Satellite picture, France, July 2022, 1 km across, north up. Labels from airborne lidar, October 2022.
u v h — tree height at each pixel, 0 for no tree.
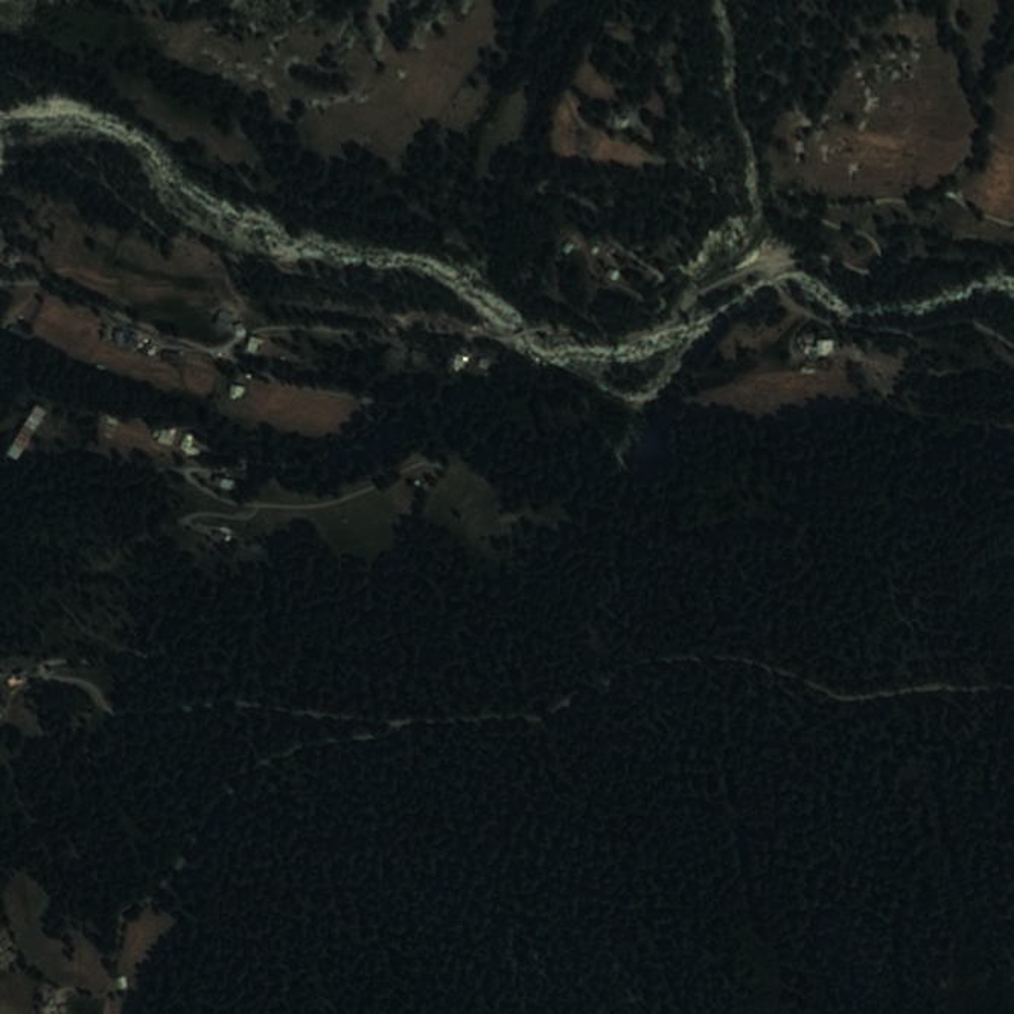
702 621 26
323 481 14
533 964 19
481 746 8
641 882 27
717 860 25
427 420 32
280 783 18
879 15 20
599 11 26
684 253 21
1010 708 24
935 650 10
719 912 18
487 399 28
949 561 19
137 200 13
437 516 0
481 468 29
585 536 26
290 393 0
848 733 9
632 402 0
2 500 17
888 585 22
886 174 0
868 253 0
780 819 20
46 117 0
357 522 0
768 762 11
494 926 9
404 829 23
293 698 11
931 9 24
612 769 25
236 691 12
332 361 11
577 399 25
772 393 0
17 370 21
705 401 0
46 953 0
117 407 27
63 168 18
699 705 21
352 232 15
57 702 21
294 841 21
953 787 24
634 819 18
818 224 18
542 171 28
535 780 7
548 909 23
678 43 20
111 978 6
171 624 17
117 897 16
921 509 26
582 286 23
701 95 18
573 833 30
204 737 28
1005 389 19
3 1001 0
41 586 28
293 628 25
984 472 25
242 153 0
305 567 24
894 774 28
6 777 27
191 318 0
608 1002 16
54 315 0
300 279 14
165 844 25
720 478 33
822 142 0
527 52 20
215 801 13
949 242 27
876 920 18
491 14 0
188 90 20
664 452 29
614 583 21
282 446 11
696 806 24
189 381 0
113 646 0
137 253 0
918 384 16
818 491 28
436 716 8
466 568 23
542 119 8
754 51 14
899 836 19
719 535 10
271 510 0
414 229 21
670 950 15
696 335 0
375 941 8
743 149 10
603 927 22
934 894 17
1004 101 0
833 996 6
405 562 23
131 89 0
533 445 8
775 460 24
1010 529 11
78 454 13
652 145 8
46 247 0
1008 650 16
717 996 15
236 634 23
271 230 0
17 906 0
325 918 13
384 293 19
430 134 20
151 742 27
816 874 24
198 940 13
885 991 6
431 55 0
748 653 9
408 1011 16
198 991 19
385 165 21
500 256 22
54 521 26
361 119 0
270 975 11
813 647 17
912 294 18
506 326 0
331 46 11
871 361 0
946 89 0
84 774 16
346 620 29
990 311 16
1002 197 0
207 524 0
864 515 28
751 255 0
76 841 16
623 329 17
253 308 0
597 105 11
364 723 9
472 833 29
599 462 26
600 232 17
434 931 16
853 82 0
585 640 21
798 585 23
